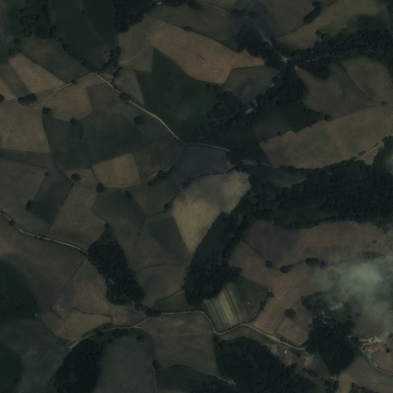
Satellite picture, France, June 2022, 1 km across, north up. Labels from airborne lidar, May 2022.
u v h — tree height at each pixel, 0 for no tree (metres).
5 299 7
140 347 0
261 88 0
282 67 18
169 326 0
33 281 0
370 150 0
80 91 0
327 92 0
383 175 24
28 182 0
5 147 0
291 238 0
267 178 0
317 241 0
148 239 0
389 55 21
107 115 0
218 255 14
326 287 0
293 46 0
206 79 0
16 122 0
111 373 0
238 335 0
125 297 28
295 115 0
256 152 0
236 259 0
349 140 0
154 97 0
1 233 0
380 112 0
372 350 0
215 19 0
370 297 16
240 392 16
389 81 0
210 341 0
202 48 0
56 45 0
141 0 20
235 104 23
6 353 0
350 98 0
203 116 0
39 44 0
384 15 0
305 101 0
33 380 0
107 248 16
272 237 0
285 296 0
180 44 0
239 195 0
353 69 0
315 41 0
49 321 0
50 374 0
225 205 0
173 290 0
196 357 0
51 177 0
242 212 18
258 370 29
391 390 0
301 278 0
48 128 0
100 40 0
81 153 0
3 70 0
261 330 0
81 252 7
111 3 0
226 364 10
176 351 0
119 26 19
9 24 0
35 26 17
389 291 9
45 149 0
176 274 0
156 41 0
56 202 0
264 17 0
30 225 0
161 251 0
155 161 0
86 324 0
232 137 0
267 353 17
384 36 10
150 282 0
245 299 0
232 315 0
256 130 0
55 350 0
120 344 0
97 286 0
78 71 0
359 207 27
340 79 0
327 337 24
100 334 11
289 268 7
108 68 9
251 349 13
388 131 0
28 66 0
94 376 21
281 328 0
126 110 0
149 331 0
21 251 0
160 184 0
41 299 0
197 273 11
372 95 0
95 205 0
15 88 0
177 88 0
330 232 0
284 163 0
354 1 0
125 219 0
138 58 0
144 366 0
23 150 0
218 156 0
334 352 19
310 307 15
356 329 0
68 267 0
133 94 0
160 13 0
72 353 12
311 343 13
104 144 0
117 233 0
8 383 0
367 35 10
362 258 10
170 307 0
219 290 15
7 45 0
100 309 0
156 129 0
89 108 0
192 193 0
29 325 0
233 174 0
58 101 0
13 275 0
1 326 0
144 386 0
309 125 8
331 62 16
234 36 0
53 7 0
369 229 0
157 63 0
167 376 0
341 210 11
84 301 0
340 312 13
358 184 24
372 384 0
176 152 0
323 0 0
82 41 0
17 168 0
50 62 0
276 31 0
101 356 27
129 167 0
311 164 0
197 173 0
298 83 14
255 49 15
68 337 0
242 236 21
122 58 0
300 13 0
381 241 0
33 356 0
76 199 0
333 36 0
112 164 0
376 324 0
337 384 10
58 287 0
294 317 10
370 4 0
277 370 23
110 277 12
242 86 0
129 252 0
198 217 0
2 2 0
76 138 0
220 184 0
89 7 0
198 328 0
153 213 0
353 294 9
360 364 0
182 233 0
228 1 0
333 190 21
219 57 0
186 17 0
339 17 0
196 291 14
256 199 10
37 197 0
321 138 0
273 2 0
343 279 16
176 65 0
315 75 11
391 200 34
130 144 0
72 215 0
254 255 0
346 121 0
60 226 0
